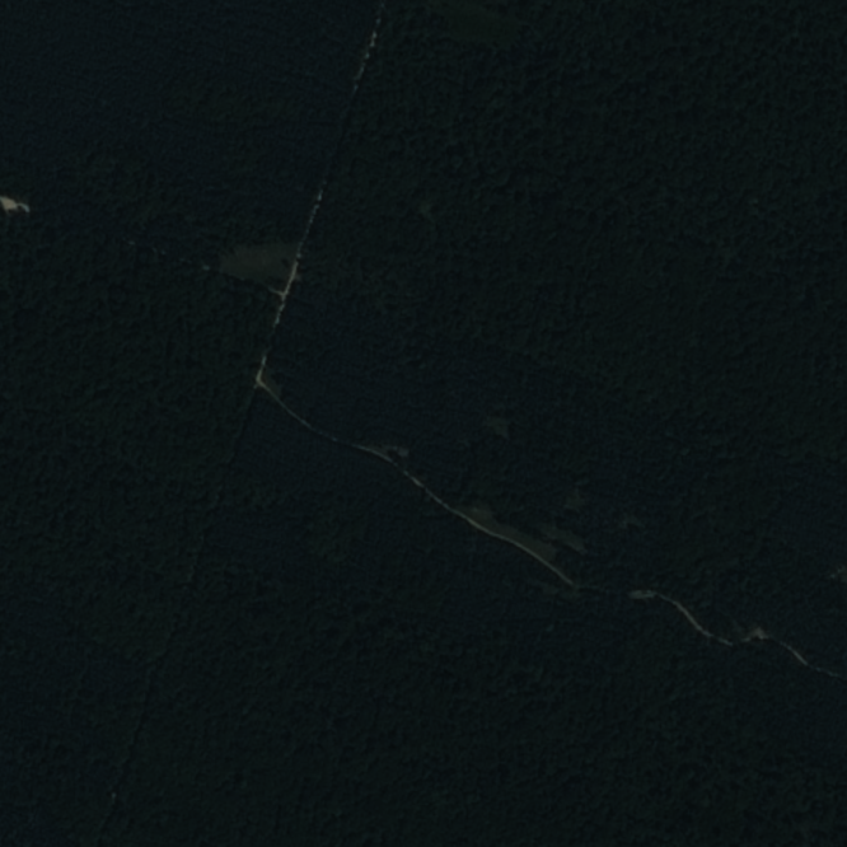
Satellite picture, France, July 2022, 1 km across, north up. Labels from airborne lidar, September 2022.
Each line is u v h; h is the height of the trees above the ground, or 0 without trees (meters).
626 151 21
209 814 15
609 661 12
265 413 16
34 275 20
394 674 23
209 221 19
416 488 11
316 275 15
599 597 8
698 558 21
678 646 18
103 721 19
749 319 24
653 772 11
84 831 19
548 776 18
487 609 19
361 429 14
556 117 20
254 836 23
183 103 17
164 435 22
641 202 19
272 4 17
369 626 9
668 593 15
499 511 9
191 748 19
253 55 12
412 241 21
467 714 17
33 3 15
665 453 10
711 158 17
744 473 18
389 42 15
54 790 23
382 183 21
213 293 19
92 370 22
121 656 16
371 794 24
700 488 20
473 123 20
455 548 11
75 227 22
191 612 20
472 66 20
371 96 18
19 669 16
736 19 19
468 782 21
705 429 21
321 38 19
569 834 19
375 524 19
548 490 16
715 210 17
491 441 15
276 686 17
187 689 18
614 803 17
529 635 15
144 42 15
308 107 18
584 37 21
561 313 24
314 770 21
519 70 24
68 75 19
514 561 15
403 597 19
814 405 20
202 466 19
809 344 24
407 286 19
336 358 14
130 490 20
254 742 19
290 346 10
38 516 27
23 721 15
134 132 17
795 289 27
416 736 18
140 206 20
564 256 21
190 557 18
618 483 15
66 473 18
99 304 20
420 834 21
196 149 20
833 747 18
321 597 16
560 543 9
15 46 17
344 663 18
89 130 20
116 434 18
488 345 16
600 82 25
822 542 17
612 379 16
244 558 18
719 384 20
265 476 20
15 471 18
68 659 19
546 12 19
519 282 23
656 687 15
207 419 19
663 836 16
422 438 14
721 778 21
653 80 23
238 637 20
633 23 19
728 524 21
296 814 19
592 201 21
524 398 12
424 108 17
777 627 11
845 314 17
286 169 15
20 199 14
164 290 19
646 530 8
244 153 19
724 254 17
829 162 18
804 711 13
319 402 17
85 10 15
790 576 16
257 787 19
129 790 19
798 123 19
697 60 21
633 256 22
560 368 11
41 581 19
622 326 19
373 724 22
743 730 21
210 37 17
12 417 23
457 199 19
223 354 17
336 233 19
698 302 14
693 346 21
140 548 22
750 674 15
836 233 17
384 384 19
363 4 16
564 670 14
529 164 11
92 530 22
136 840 17
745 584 10
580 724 22
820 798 19
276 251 0
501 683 20
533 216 19
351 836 26
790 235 20
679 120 23
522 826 18
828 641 19
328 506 16
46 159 21
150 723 19
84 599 16
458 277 25
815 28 18
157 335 20
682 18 15
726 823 6
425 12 18
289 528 15
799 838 23
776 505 14
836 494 15
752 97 17
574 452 16
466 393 17
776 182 17
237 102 16
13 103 18
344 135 17
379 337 14
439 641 20
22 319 23
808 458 14
